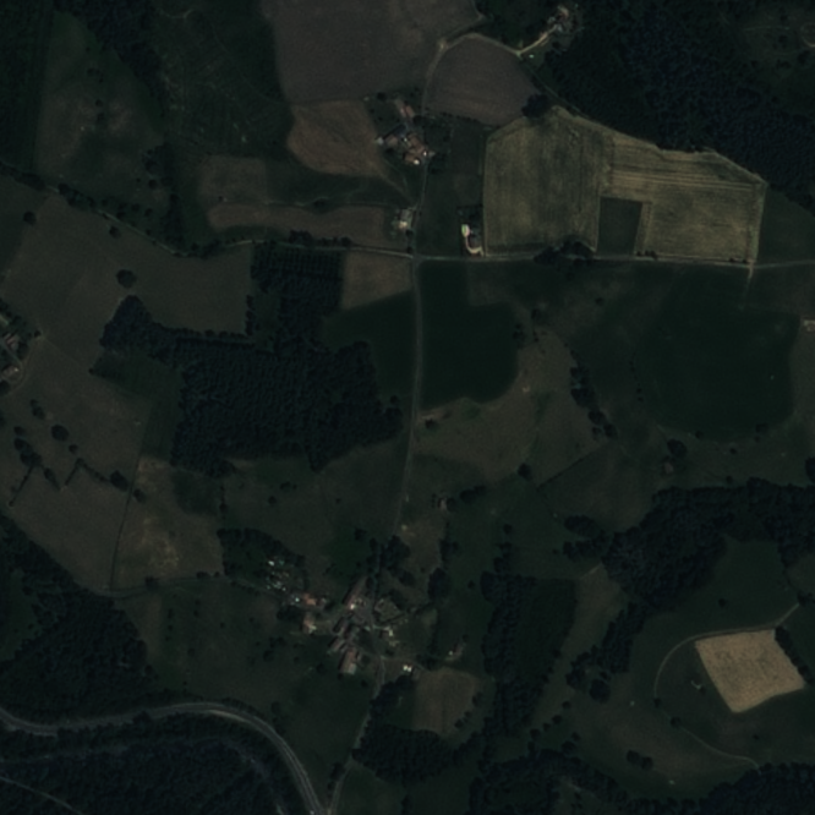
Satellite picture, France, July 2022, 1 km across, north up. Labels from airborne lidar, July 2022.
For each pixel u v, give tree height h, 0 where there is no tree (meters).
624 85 8
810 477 14
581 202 0
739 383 0
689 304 0
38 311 0
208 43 0
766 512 24
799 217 0
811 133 31
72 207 13
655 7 32
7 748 17
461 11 0
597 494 0
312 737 0
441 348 0
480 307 0
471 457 0
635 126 9
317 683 0
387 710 23
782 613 0
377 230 0
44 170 0
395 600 10
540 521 0
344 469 0
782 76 0
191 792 20
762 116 26
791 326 0
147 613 0
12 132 6
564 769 22
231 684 0
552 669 11
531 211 0
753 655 0
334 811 0
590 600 0
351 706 0
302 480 0
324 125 0
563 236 0
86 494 0
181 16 0
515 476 0
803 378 0
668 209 0
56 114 0
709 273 0
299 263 11
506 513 0
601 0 26
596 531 21
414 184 0
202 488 0
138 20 7
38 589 12
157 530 0
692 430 0
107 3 14
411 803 13
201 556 0
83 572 0
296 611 6
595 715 0
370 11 0
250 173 0
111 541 0
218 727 17
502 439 0
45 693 6
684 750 0
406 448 0
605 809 0
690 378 0
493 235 0
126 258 0
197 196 0
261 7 0
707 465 0
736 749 0
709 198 0
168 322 0
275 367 21
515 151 0
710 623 0
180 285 0
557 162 0
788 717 0
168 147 8
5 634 17
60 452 0
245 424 20
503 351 0
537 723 0
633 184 0
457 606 0
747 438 0
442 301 0
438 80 0
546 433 0
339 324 0
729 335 0
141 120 0
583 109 10
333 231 0
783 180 24
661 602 33
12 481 0
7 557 7
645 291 0
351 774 0
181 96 0
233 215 0
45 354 0
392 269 0
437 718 0
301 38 0
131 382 0
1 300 8
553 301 0
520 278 0
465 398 0
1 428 23
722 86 33
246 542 18
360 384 21
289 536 0
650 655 0
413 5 0
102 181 0
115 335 24
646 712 0
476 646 0
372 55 0
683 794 0
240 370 23
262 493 0
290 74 0
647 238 0
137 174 0
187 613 0
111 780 21
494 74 0
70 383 0
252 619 7
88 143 0
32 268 0
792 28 0
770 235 0
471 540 0
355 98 0
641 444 0
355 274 0
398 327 0
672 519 24
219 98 0
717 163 0
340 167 0
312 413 20
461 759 22
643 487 0
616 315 0
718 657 0
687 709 0
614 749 0
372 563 15
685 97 32
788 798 26
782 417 0
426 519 0
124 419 0
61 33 0
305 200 0
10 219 0
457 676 0
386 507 0
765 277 0
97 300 0
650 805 23
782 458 0
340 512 0
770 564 0
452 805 0
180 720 18
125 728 8
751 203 0
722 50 13
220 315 0
